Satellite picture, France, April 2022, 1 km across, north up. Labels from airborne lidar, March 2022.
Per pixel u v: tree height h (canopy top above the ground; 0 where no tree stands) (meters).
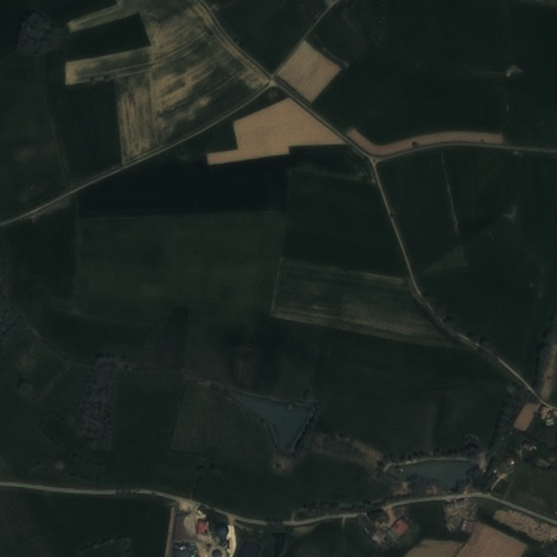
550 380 0
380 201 0
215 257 0
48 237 0
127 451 0
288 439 0
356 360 0
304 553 0
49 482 0
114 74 0
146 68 0
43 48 21
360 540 0
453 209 0
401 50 0
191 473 0
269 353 0
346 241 0
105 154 0
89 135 0
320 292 0
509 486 0
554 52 0
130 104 0
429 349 0
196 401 0
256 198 0
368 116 0
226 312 0
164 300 0
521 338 0
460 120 0
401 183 0
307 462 0
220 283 0
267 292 0
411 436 0
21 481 0
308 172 0
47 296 0
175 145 0
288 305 0
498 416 0
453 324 17
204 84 0
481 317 0
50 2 0
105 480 0
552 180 0
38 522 0
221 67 0
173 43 0
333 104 0
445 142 0
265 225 0
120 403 0
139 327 0
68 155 0
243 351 0
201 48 0
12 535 0
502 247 0
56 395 0
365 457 0
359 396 0
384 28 0
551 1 0
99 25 0
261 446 0
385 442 0
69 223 0
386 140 0
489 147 0
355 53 0
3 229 0
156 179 0
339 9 0
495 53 0
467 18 0
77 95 0
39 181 0
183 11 0
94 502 0
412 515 0
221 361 0
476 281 0
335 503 0
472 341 18
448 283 0
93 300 0
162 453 0
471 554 0
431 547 0
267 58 0
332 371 0
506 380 0
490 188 0
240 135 0
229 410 0
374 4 0
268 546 0
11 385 0
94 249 0
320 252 0
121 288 0
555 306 0
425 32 0
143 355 0
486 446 0
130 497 9
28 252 0
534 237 0
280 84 0
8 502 0
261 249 0
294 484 0
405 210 0
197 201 0
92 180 0
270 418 0
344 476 0
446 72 0
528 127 0
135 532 0
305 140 0
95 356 0
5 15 0
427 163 0
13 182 0
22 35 20
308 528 0
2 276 0
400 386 0
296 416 0
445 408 0
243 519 0
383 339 0
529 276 0
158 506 0
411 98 0
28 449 0
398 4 0
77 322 0
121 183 0
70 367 0
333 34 0
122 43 0
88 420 22
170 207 0
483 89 0
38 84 0
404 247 0
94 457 0
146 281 0
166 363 0
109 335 0
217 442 0
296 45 0
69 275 0
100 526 0
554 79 0
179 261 0
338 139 0
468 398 0
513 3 0
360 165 0
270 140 0
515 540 0
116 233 0
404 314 0
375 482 0
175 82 0
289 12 0
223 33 0
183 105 0
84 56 0
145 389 0
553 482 0
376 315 0
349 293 0
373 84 0
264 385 0
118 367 18
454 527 0
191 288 0
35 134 0
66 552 0
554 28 0
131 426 0
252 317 0
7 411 0
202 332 0
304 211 0
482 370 0
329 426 0
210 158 0
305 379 0
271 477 0
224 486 0
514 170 0
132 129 0
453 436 0
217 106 0
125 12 0
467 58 0
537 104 0
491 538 0
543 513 0
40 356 0
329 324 0
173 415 0
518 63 0
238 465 0
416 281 0
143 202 0
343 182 0
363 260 0
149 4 0
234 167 0
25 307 0
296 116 0
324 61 0
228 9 0
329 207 0
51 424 0
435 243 0
